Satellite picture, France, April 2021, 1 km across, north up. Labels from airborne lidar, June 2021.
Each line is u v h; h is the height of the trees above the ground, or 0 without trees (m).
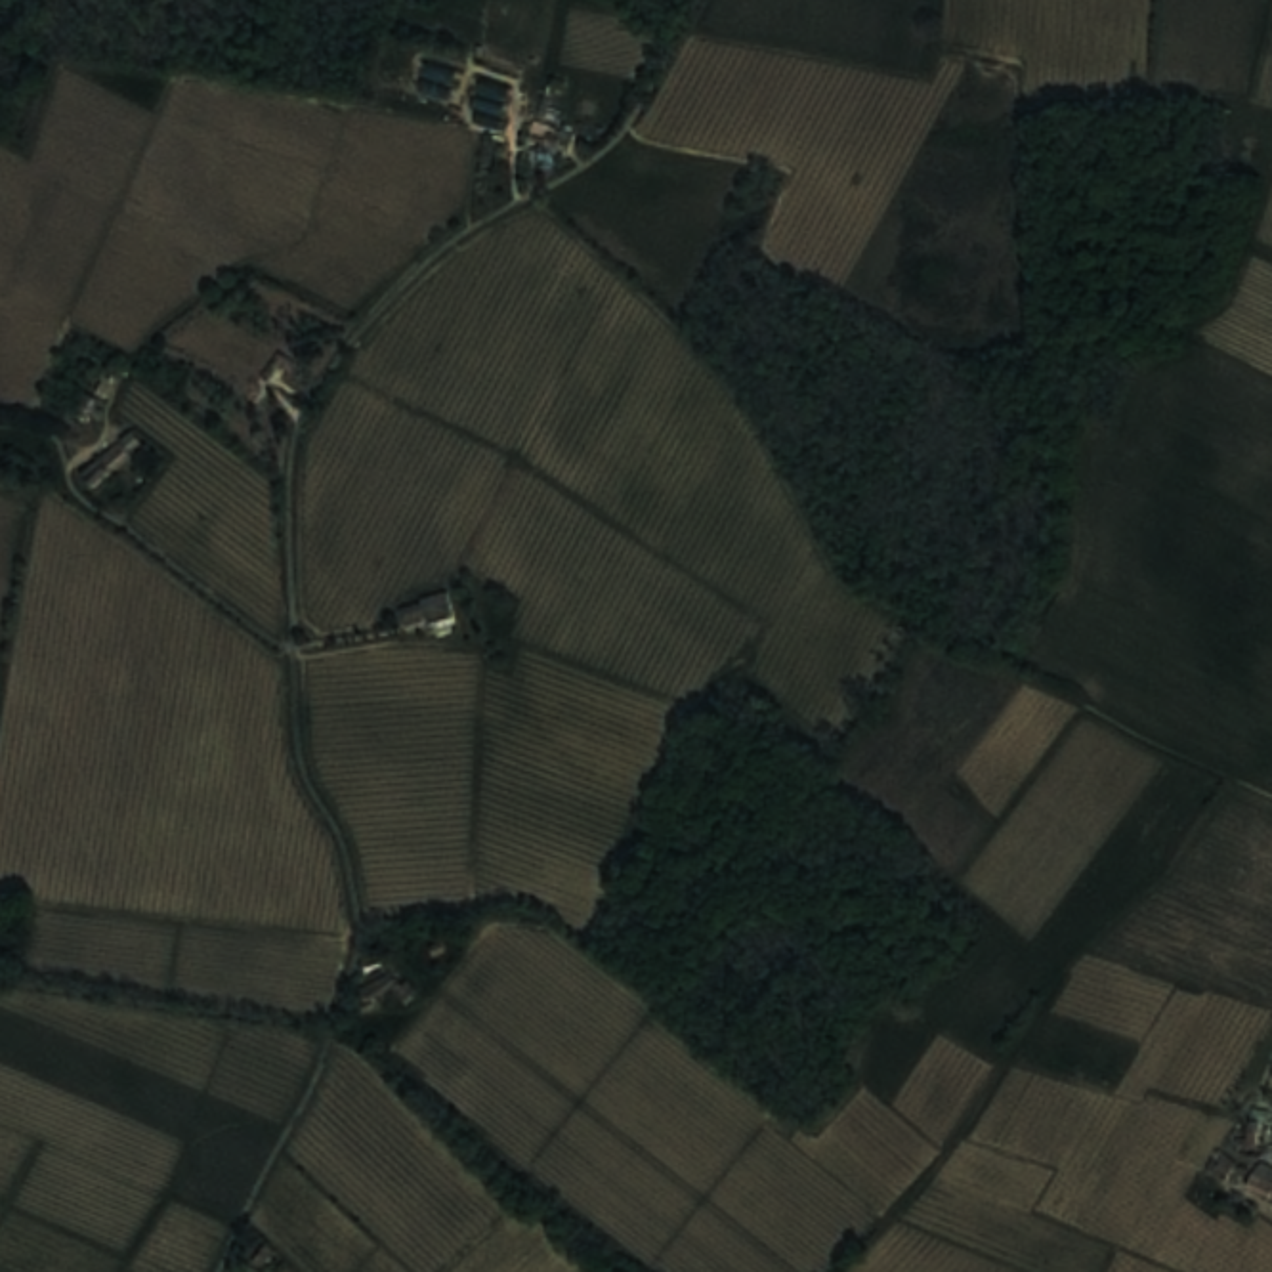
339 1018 14
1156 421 0
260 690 0
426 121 0
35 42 20
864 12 0
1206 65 0
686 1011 21
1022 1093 0
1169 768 0
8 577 0
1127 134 28
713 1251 0
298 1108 0
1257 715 0
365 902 0
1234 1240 0
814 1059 22
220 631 0
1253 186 17
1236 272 12
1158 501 0
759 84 0
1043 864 0
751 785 26
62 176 0
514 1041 0
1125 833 0
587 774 0
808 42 0
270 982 0
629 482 0
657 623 0
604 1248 13
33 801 0
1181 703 0
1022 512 17
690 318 15
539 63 0
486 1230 0
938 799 0
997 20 0
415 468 0
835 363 23
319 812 0
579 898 0
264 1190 0
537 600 0
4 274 0
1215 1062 0
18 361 0
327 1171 0
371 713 0
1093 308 22
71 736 0
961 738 0
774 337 23
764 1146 0
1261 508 0
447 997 0
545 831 0
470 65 0
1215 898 0
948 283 0
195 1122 0
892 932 24
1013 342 14
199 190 0
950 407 15
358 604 0
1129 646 0
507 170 7
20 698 0
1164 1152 0
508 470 0
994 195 0
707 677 0
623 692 0
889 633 0
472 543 0
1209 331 0
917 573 18
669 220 0
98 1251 0
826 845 16
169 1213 0
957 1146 0
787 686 0
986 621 22
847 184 0
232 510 0
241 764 0
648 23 16
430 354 0
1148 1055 0
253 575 0
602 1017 0
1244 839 0
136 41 18
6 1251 0
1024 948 0
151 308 0
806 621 0
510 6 0
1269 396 0
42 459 12
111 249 0
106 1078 0
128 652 0
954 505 15
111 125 0
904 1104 0
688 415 0
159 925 0
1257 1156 6
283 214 0
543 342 0
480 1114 0
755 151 0
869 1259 10
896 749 0
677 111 0
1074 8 0
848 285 0
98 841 0
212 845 0
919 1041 0
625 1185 0
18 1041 0
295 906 0
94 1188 0
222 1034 0
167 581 0
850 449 22
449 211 0
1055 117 24
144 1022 0
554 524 0
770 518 0
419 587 0
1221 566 0
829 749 24
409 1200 0
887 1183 0
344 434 0
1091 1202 0
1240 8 0
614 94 0
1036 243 21
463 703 0
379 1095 0
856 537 23
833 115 0
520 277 0
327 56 21
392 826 0
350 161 0
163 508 0
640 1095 0
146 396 0
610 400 0
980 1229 0
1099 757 0
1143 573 0
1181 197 24
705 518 0
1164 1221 0
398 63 0
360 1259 0
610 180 0
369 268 0
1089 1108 0
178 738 0
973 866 0
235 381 0
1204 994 0
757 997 18
